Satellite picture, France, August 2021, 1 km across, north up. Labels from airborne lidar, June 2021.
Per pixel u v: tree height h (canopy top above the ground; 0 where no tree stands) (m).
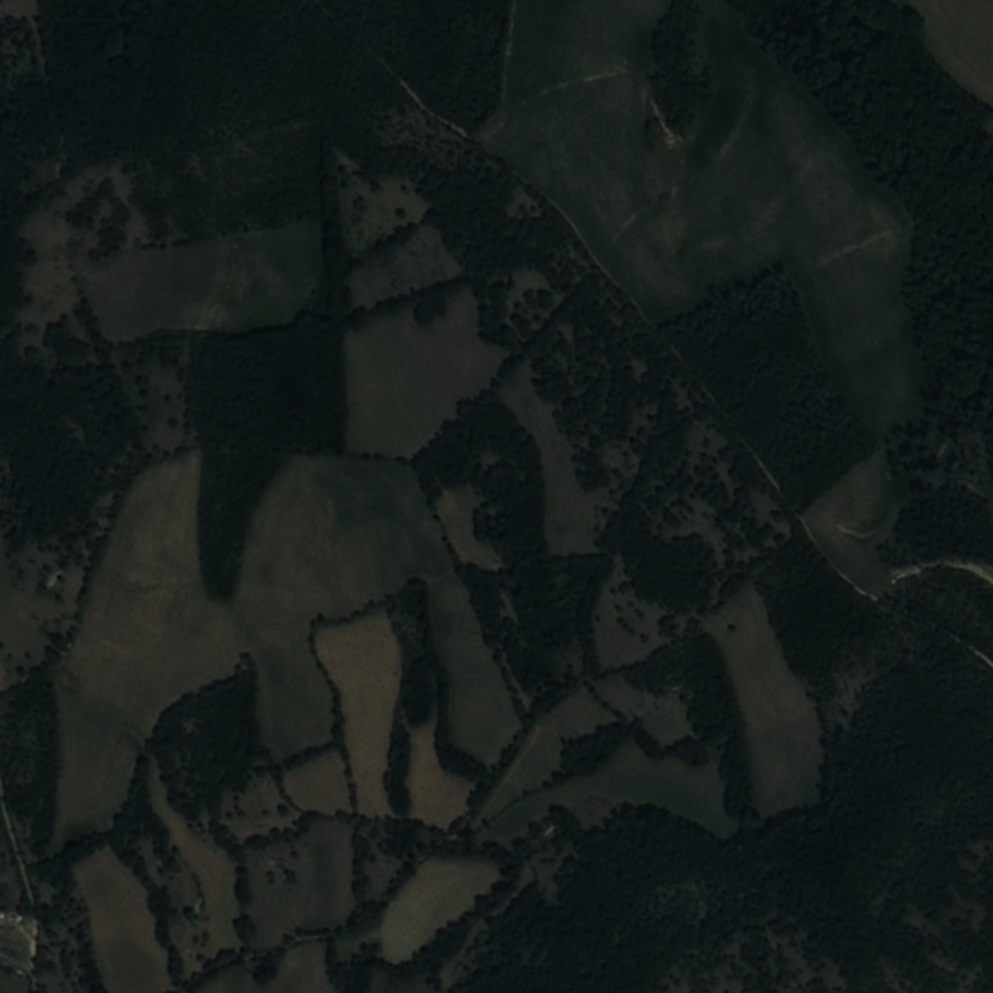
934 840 10
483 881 0
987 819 9
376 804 0
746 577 8
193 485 0
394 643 0
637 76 0
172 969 9
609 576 7
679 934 8
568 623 9
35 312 0
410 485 0
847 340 0
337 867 0
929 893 8
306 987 0
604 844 10
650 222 0
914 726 9
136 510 0
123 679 0
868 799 18
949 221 19
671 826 16
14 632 0
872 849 13
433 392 0
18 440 15
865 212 0
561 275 7
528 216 7
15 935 0
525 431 6
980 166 23
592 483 7
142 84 17
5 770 6
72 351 13
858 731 12
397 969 7
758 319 20
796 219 0
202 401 9
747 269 0
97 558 10
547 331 11
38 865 6
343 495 0
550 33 0
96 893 0
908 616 8
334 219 16
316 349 19
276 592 0
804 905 11
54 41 7
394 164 11
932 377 8
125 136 15
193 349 6
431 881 0
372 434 0
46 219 0
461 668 0
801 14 15
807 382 20
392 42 15
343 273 17
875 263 0
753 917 9
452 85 11
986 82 0
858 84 24
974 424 17
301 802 0
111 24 24
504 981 11
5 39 8
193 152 9
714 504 8
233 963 8
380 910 9
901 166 12
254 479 8
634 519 11
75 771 0
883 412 0
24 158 8
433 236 0
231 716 13
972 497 6
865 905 7
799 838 17
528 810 0
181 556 0
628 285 0
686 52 21
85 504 14
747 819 19
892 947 9
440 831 8
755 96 0
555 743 0
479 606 11
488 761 0
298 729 0
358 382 0
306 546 0
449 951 10
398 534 0
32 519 11
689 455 8
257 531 0
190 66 15
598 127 0
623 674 7
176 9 14
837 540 0
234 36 14
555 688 10
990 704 8
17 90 9
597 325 7
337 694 7
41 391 14
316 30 11
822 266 0
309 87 11
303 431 23
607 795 0
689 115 12
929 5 0
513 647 11
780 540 9
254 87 10
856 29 26
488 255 9
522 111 0
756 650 0
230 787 8
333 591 0
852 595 7
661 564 12
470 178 12
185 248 8
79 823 0
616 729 12
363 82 11
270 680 0
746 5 7
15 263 12
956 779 8
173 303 0
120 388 8
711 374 11
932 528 7
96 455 11
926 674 9
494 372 0
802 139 0
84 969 7
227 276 0
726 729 8
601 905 8
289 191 6
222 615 0
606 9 0
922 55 19
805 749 0
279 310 0
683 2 13
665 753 7
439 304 12
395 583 0
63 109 18
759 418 9
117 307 0
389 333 0
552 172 0
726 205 0
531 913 10
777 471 7
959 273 28
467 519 0
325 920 0
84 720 0
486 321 13
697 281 0
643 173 0
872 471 0
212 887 0
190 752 7
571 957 9
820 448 12
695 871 9
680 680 7
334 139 14
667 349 7
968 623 7
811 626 6
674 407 9
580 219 0
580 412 6
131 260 0
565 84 0
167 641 0
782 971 6
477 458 7
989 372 26
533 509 13
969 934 6
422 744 0
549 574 9
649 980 9
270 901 0
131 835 9
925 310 10
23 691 7
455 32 17
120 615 0
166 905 12
